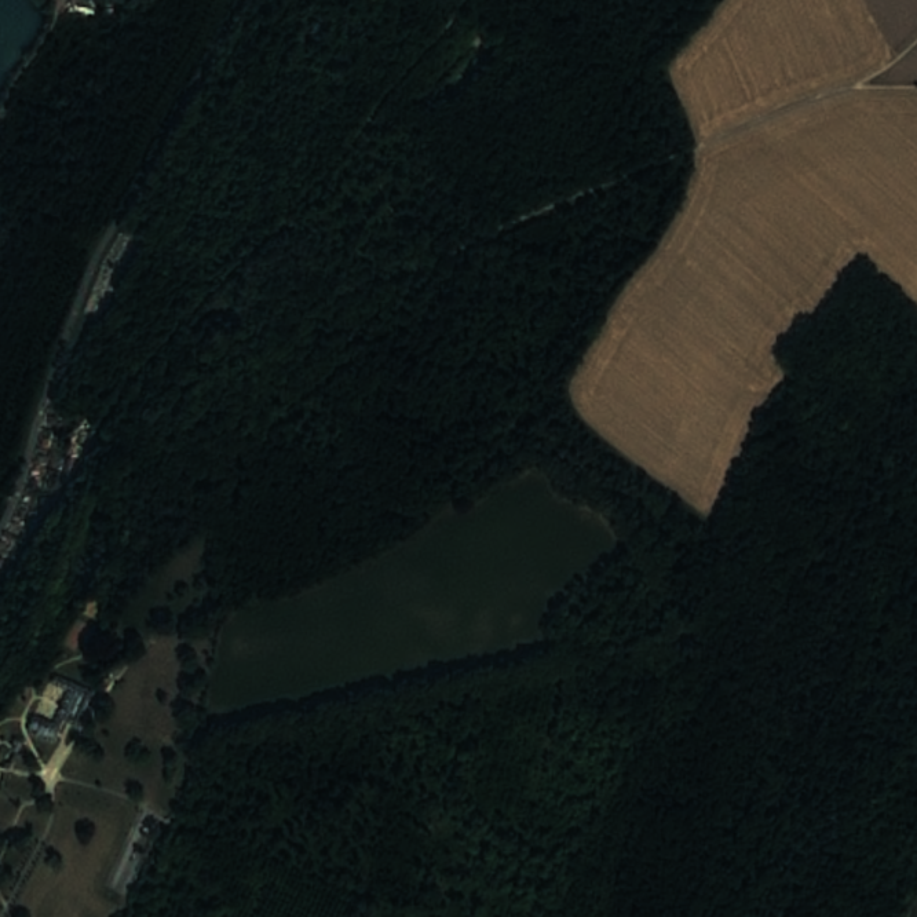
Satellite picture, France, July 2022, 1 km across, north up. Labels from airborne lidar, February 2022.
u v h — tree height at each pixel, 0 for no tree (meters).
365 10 8
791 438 24
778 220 0
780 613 25
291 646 0
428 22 10
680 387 0
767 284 0
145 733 0
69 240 6
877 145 0
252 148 9
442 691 25
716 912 24
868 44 0
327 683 0
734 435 0
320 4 14
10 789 0
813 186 0
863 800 15
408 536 19
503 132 16
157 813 0
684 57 0
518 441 19
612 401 0
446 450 16
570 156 20
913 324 19
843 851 10
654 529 29
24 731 0
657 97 21
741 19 0
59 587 23
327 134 12
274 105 14
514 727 7
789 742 26
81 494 24
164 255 15
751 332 0
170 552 20
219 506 24
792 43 0
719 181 0
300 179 15
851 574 22
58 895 0
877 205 0
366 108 12
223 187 15
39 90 8
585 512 0
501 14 9
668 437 0
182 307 17
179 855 16
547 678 21
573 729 11
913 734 17
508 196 14
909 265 0
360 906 24
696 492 0
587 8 16
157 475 27
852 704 17
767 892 15
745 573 26
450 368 25
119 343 15
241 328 23
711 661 17
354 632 0
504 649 0
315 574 18
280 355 22
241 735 26
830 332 20
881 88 0
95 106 23
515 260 21
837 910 18
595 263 23
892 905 12
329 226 20
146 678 0
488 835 20
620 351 0
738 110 0
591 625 22
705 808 20
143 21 9
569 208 20
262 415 25
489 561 0
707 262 0
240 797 20
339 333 19
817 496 19
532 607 0
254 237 11
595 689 8
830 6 0
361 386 24
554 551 0
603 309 22
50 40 9
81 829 18
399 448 24
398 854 9
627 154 19
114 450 27
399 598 0
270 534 26
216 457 31
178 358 26
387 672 0
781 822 20
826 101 0
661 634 25
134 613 0
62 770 0
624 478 22
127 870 0
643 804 24
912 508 23
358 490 23
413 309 21
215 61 15
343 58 7
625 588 22
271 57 16
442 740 23
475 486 23
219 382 22
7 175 22
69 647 0
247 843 15
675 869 20
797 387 20
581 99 19
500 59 12
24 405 6
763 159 0
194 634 20
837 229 0
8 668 25
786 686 27
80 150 27
